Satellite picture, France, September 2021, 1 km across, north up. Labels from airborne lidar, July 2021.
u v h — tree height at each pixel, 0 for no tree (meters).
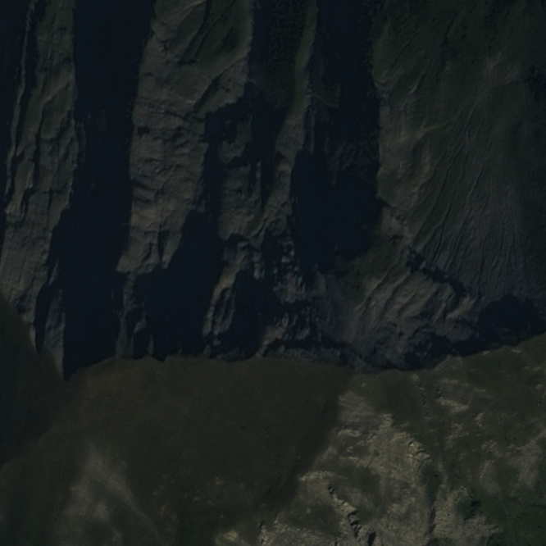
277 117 0
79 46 0
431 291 0
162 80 0
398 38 0
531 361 0
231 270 0
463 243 0
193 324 0
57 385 0
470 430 0
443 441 0
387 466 0
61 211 0
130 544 0
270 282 0
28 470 0
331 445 0
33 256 0
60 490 0
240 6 0
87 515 0
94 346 0
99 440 0
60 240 0
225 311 0
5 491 0
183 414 0
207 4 0
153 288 0
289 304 0
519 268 0
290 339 0
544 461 0
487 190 0
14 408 0
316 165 0
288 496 0
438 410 0
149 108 0
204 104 0
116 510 0
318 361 0
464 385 0
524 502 0
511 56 0
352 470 0
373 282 0
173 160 0
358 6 19
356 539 0
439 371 0
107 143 0
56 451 0
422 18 0
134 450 0
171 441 0
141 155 0
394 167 0
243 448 0
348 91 0
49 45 0
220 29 0
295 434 0
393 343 0
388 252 0
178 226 0
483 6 0
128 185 0
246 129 0
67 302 0
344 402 0
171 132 0
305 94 0
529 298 0
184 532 0
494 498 0
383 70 0
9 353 0
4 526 0
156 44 0
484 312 0
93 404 0
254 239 0
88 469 0
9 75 9
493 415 0
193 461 0
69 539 0
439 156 0
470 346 0
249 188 0
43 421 0
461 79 0
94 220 0
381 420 16
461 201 0
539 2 0
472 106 0
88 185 0
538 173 0
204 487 0
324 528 0
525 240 0
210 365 0
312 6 0
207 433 0
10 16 0
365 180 0
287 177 0
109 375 0
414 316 0
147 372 0
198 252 0
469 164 0
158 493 0
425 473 0
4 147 8
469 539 0
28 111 0
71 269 0
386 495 0
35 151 0
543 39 0
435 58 0
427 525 0
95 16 0
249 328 0
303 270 0
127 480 0
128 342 0
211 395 0
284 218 0
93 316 0
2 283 0
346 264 0
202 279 0
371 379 0
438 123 0
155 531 0
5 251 0
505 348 0
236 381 0
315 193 0
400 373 0
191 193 0
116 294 0
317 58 0
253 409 0
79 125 0
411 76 0
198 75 0
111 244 0
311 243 0
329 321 0
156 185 0
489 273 0
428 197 0
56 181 0
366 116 0
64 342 0
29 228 0
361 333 0
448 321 0
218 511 0
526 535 0
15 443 0
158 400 0
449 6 0
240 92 0
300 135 0
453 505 0
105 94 0
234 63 0
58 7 0
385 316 0
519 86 0
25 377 0
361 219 0
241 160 0
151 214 0
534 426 0
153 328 0
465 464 0
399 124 0
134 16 0
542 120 0
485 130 0
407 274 0
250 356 0
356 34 15
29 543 0
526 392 0
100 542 0
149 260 0
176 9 0
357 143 0
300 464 0
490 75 0
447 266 0
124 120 0
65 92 0
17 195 0
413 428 0
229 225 0
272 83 0
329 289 0
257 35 0
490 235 0
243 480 0
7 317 0
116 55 0
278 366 0
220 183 0
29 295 0
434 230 0
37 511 0
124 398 0
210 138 0
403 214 0
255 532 0
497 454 0
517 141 0
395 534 0
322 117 0
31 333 0
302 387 0
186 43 0
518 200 0
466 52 0
